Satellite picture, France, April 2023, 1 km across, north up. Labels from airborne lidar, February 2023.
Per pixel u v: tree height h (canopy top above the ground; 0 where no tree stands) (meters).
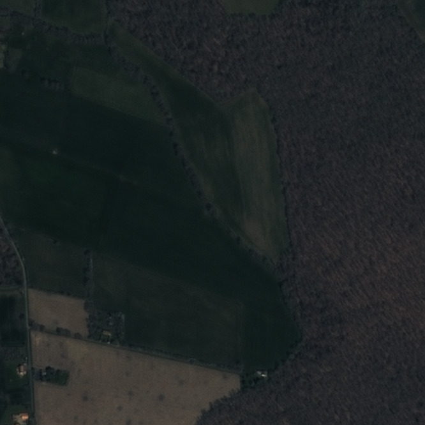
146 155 0
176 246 0
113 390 0
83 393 0
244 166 0
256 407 19
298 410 19
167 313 0
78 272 0
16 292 0
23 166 0
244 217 0
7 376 0
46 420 0
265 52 18
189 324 0
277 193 0
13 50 0
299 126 23
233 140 0
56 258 0
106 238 0
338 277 22
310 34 25
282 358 0
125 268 0
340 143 20
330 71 22
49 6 0
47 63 0
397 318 15
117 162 0
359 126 19
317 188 18
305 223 20
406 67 22
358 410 14
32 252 0
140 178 0
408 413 18
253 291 0
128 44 0
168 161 0
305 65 19
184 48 25
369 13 7
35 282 0
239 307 0
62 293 9
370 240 14
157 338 0
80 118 0
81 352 0
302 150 23
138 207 0
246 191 0
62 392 0
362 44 21
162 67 0
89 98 0
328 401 16
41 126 0
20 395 0
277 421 22
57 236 0
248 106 0
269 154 0
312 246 20
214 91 19
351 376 20
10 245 12
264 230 0
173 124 15
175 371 0
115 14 22
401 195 21
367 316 22
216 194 0
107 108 0
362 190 22
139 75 24
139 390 0
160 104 16
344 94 22
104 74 0
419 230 22
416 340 12
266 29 21
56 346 0
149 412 0
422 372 20
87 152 0
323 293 17
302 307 17
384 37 23
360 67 23
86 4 0
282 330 0
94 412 0
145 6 25
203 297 0
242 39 22
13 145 0
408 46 17
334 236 22
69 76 0
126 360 0
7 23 0
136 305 0
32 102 0
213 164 0
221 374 0
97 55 0
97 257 0
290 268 18
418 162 19
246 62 22
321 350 20
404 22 20
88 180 0
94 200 0
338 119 21
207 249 0
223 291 0
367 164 20
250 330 0
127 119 0
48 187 0
